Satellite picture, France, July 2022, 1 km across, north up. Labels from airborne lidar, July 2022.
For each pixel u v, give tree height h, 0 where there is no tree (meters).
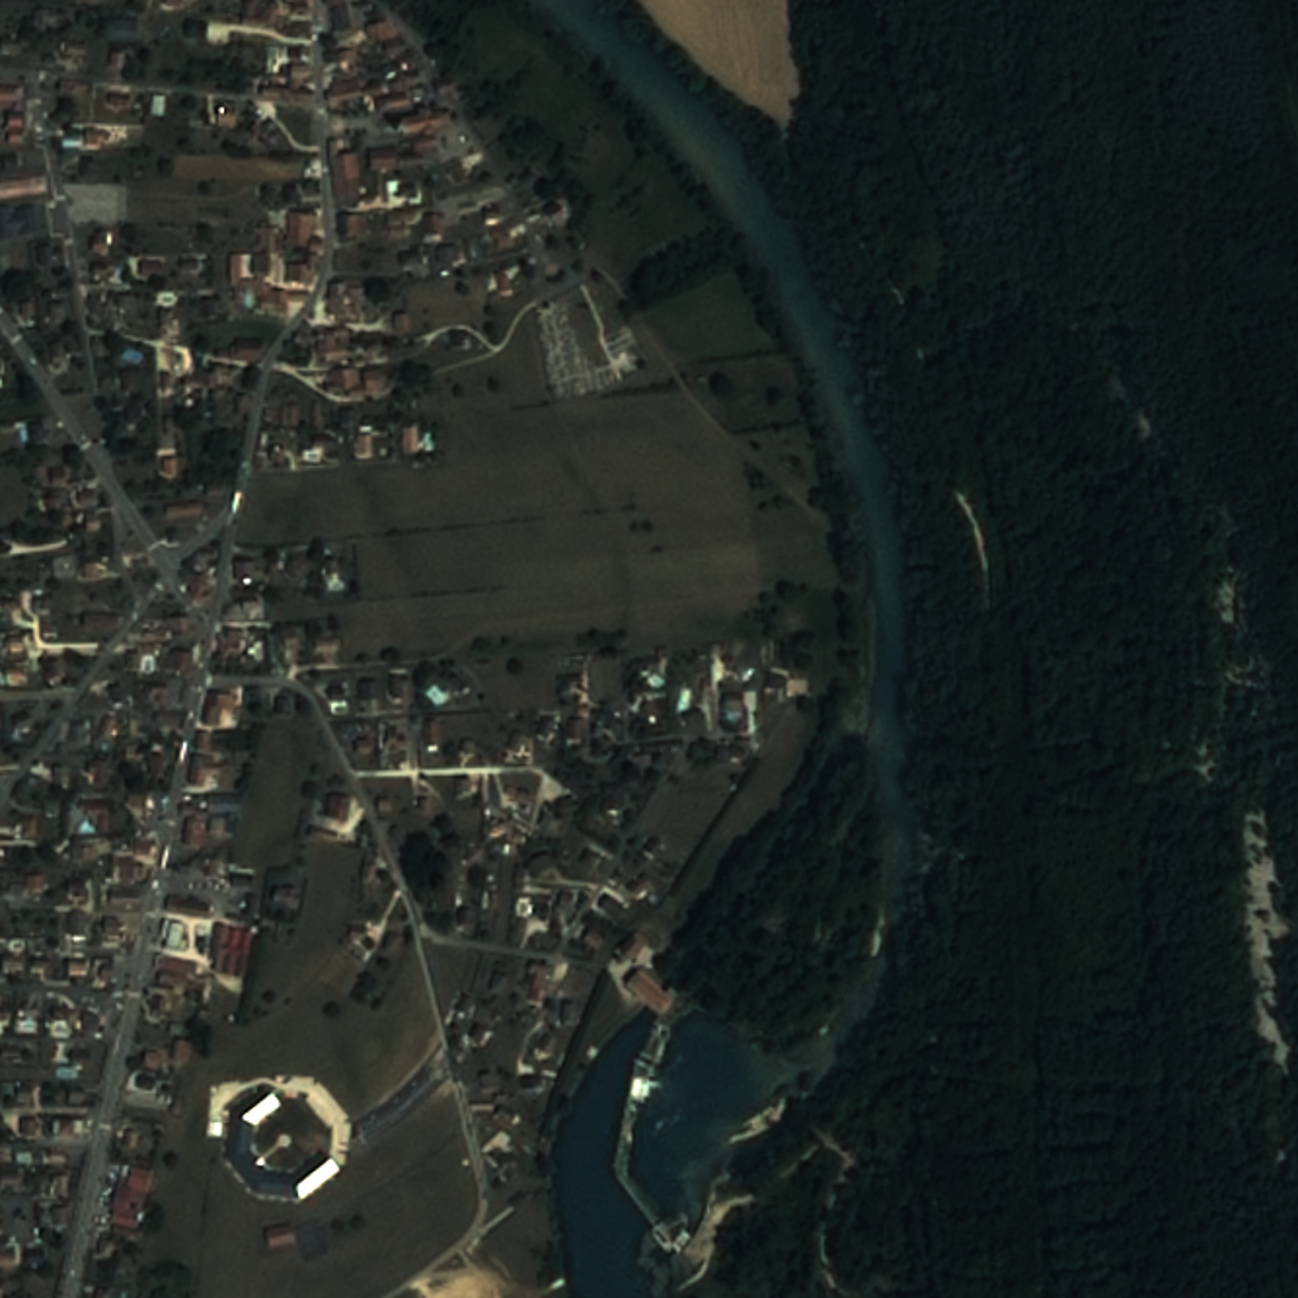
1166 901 20
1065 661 24
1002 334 28
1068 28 20
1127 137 11
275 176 0
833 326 0
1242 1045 18
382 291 16
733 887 26
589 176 0
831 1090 15
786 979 14
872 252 15
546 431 0
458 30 9
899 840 0
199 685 0
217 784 0
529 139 16
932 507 20
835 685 8
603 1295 0
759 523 0
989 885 14
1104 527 22
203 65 6
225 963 0
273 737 0
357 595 9
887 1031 17
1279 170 14
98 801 0
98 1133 0
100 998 0
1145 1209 26
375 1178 0
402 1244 0
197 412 7
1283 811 13
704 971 14
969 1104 19
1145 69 11
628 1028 0
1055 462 22
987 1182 18
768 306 9
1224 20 19
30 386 15
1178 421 14
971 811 16
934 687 16
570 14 0
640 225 0
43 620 0
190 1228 0
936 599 22
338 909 0
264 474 0
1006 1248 19
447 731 0
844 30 19
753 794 0
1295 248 10
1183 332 12
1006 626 13
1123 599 25
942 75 21
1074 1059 22
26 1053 9
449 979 0
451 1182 0
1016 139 15
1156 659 23
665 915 0
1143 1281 29
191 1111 0
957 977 10
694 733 0
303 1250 0
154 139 0
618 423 0
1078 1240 22
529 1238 0
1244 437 13
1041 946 12
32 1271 7
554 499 0
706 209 12
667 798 0
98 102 0
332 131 0
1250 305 8
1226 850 18
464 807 0
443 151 0
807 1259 9
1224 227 12
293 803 0
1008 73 20
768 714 0
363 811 0
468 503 0
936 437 25
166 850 0
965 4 19
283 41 0
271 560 10
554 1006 8
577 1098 0
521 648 0
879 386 21
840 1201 11
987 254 16
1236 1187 18
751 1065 0
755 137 9
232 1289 0
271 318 0
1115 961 8
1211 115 19
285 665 0
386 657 10
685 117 0
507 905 0
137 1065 7
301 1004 0
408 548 0
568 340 0
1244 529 10
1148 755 15
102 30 12
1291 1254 25
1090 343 12
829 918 6
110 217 0
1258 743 10
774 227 0
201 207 0
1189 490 14
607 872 0
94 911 0
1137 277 12
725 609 0
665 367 0
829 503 11
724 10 0
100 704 0
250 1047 0
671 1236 0
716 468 0
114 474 0
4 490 0
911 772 17
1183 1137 25
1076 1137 19
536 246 0
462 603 0
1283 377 9
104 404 16
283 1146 0
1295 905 11
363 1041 0
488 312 7
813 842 23
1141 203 13
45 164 0
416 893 6
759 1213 7
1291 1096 16
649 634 0
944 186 19
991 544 6
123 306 0
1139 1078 29
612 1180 0
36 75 0
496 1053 0
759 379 0
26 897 0
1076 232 18
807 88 16
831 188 13
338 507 0
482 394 0
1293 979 12
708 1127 0
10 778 0
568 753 6
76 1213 0
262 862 0
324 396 6
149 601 0
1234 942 13
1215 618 11
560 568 0
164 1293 8
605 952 0
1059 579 25
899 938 15
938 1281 19
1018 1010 10
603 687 0
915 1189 22
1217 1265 15
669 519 0
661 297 8
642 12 19
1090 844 8
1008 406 20
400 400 12
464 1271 0
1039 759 19
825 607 0
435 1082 0
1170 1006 22
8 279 10
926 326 18
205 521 0
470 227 0
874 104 12
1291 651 13
